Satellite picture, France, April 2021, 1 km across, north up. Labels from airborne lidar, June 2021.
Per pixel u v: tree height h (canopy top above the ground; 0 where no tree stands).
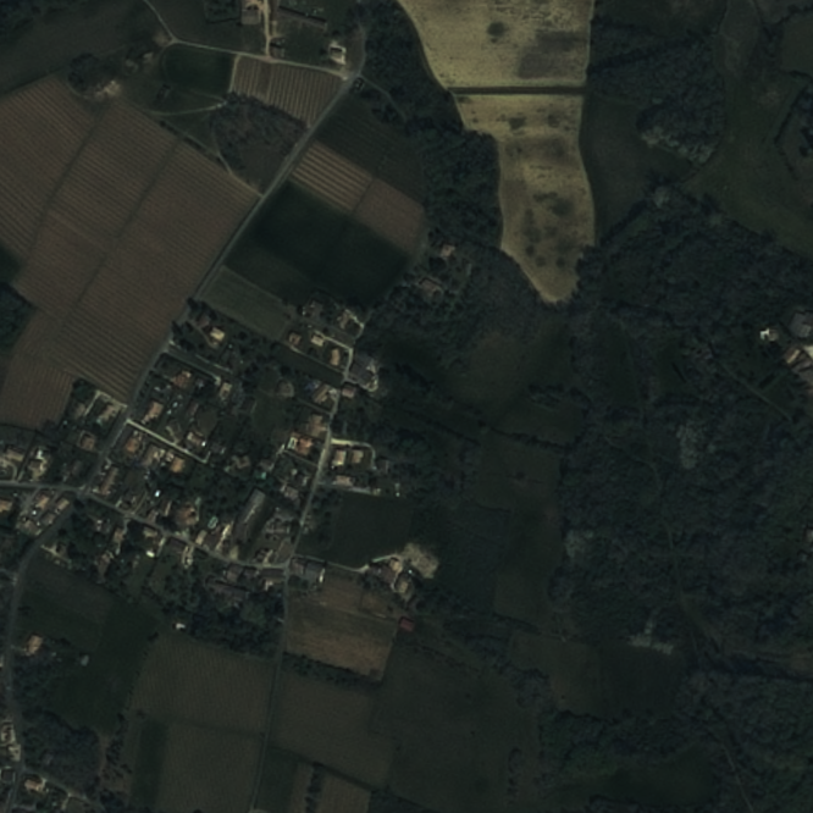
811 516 9
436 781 0
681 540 8
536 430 0
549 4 0
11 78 0
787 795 19
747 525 8
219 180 0
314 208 0
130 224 0
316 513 7
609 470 12
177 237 0
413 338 6
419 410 9
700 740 17
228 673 0
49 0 12
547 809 0
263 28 0
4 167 0
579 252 0
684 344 10
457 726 0
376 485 8
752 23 0
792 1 0
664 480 8
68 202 0
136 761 0
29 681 17
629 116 0
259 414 0
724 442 12
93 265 0
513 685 7
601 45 15
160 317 0
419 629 0
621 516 7
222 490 9
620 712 0
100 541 7
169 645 0
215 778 0
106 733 0
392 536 0
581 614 7
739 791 16
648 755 17
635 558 21
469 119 0
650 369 15
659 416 10
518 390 0
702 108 17
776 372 15
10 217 0
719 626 31
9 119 0
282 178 0
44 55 0
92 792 12
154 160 0
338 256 0
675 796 0
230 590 0
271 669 0
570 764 23
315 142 0
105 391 0
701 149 33
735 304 17
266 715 0
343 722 0
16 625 0
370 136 0
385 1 13
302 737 0
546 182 0
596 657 0
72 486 0
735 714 20
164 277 0
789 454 26
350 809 0
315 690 0
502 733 0
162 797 0
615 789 0
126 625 0
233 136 9
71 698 0
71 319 0
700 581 15
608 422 13
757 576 25
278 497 12
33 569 0
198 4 0
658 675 0
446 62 0
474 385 0
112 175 0
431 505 9
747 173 0
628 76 25
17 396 0
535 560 0
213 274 0
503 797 0
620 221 0
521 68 0
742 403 10
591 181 0
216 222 0
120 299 0
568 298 0
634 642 8
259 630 8
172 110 0
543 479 0
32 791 6
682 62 16
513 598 0
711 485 6
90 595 0
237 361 13
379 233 0
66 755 12
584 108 0
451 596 11
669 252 14
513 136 0
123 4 0
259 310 0
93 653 0
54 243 0
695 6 0
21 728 0
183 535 0
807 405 16
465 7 0
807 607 23
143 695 0
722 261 12
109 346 0
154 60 0
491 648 10
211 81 0
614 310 15
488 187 13
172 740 0
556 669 0
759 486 6
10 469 0
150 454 0
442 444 0
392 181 0
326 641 0
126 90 0
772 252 21
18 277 0
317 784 6
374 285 0
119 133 0
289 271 0
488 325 19
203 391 8
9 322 16
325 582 0
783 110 0
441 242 6
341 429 13
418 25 0
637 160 0
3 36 13
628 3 0
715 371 13
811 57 0
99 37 0
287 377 13
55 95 0
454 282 10
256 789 0
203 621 18
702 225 13
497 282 17
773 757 31
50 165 0
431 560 0
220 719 0
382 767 0
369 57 7
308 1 0
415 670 0
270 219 0
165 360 7
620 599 10
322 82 0
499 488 0
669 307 11
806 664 0
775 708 21
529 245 0
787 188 0
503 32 0
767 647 23
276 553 0
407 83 16
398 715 0
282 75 0
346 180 0
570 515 14
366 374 0
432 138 20
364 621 0
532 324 17
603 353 7
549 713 16
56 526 0
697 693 16
